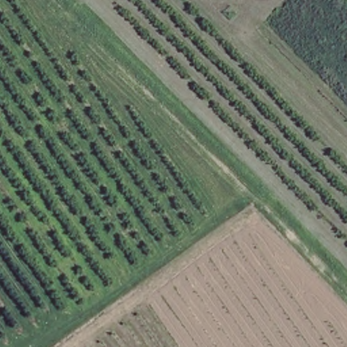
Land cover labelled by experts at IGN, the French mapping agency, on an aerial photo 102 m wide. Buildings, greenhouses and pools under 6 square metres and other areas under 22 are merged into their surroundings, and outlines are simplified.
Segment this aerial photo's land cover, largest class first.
<instances>
[{"label":"herbaceous vegetation","instance_id":"1","mask_svg":"<svg viewBox=\"0 0 347 347\"><path fill-rule=\"evenodd\" d=\"M164 3L171 5L175 15L180 16L187 24L188 30L197 34L211 52L216 53L221 61L233 69L234 75L241 80V84L236 87L216 68V65L202 56L190 39L183 37L182 31L175 27L169 16L161 12V9L150 0H141L145 8L179 39L180 43L190 49L194 54V61L206 66L210 75L216 77L222 87L229 89L234 100L228 102L218 94L216 87L205 79L202 73L192 68L184 54L179 53L163 35L157 33L156 28L129 0H15L19 11L53 54L54 58L49 61L34 41L33 35L28 33L27 28H24L16 18L5 0H0V72L8 80L11 88L16 89V94L22 96L24 106L34 115L33 121H28L0 83V155L4 157L12 178L18 179L24 187V190L16 192L0 172V244L41 302V308L34 306L26 291L15 281L0 258V275L28 312V317L20 316L14 302L9 300L0 287V347H179L146 298L172 275L178 274L191 260L214 244L220 243L225 236L236 232L241 226L259 222L263 217L274 225L281 233L283 241L297 251L304 262L332 287L340 300L347 305V224L340 220L332 207L321 202L320 195L289 167L287 161L282 160L272 150L270 137L264 140L259 125L266 127L271 137L278 138L283 150L293 155L295 163L305 168L316 183L323 187L325 195H331V198L339 203L344 217L347 218V197L332 187L308 160L301 156L297 148L283 137L274 123L264 118L251 100L245 98L241 92L244 91L243 84L248 85L259 102L267 104L272 113L281 119L282 125L287 127L290 133L295 134L297 140L316 156L317 160L323 161L328 171L338 176L339 182L347 187V106L300 57L295 56L291 47L286 45L268 24L267 18L271 15L272 9L279 7L285 0H163ZM115 5L129 9L130 16L148 31L161 49L167 50L169 56L175 58L186 69L194 81L187 83L186 80L180 79L178 73L169 68L165 58L144 39L138 37L134 28L117 14ZM202 19L209 20L218 34L244 58L243 64L239 65L236 61L230 60L216 39L205 33L206 26ZM248 64L270 83L278 98L285 100L291 110L304 119L310 129L316 131L319 140L312 141L306 137L304 130L294 125L281 108L272 102L266 91L249 79L248 75L251 72ZM37 65L49 77L54 87L61 91L64 102H54L47 89L39 83L37 73L33 70ZM95 89H98L100 95L106 99L110 110L125 127V138L119 133L117 125L107 118L102 104L92 94ZM216 103L224 108L233 122L239 123L244 133H247L251 140H255L260 149L267 152L275 164L281 167L286 178L293 180L295 186L300 187V190L308 195L310 201L316 205L314 210L306 209L304 203L295 198L293 191L287 190L270 165L260 161L255 153L244 145V141L211 111ZM126 104L131 107L146 133L152 136L165 159L178 173L183 186L197 199L201 205L198 210L176 186L168 169L160 163L149 142L134 126L129 114L126 113ZM66 110H72V113L76 115L77 122L80 123L83 129L88 131V137L85 138V140H83V138H80L79 134L76 133L75 127L70 125L68 119H66ZM38 125L42 126L45 136L53 142L57 153L64 156L62 160L68 161L69 171H75L81 186L87 188L94 205L102 210L98 216L88 209L81 192L73 187L60 165L50 156L45 142L38 138L35 133V126ZM4 140L11 141L18 148L20 159L30 167V172L37 176L39 186L57 207L58 213L64 216L69 229L79 232L81 244L88 248L91 255L89 258L84 260L77 252L75 244L68 239L56 218L43 205L33 186L24 178L14 157L5 149ZM26 141H33L43 164L56 172L66 197L76 207L75 216L70 213L64 202H61L56 188L46 178L42 169H39L33 156L27 152L24 146ZM91 142H95L98 149L102 150L103 159L106 160L108 167L117 173L123 188L130 190L134 199H140V205L144 209L141 213L148 218L150 226L163 236L161 241L153 239L134 216L133 209L119 194L114 180L108 178L98 160L92 156L89 149ZM121 155L138 179L144 182L152 197L146 199L118 163L117 159ZM83 156L89 168L94 169L99 182L103 184L100 190L94 183L89 182L77 165L76 161ZM87 221L89 225L94 226L95 236L106 245L107 252H111V258L104 259L103 253L88 239L83 226ZM26 228L33 229L37 234L38 243L45 248L50 260H56V267L46 266L45 260L28 239ZM18 244L23 245V252L26 255L35 259L37 270L42 271L47 279H52L53 290L43 293L37 279L16 255L14 247Z\"/></svg>","mask_w":347,"mask_h":347},{"label":"clear cut","instance_id":"2","mask_svg":"<svg viewBox=\"0 0 347 347\"><path fill-rule=\"evenodd\" d=\"M179 347H347V305L340 300L332 287L304 262L297 251L283 241L281 233L274 225L263 217L259 222L241 226L236 232L225 236L220 243L214 244L191 260L178 274L172 275L146 298Z\"/></svg>","mask_w":347,"mask_h":347},{"label":"deciduous trees","instance_id":"3","mask_svg":"<svg viewBox=\"0 0 347 347\"><path fill-rule=\"evenodd\" d=\"M16 18L24 28H27L28 33L33 35L34 41L49 61L54 58L53 54L19 11L15 0H5ZM156 28L157 33L163 35L179 53L184 54L192 68L202 73L205 79L216 87L218 94L228 102L234 100L229 89L222 87L216 77L210 75L206 66L194 61V54L190 49L180 43L179 39L145 8L141 0H129ZM161 9V12L169 16L175 27L182 31L183 37L190 39L202 56L216 65V68L236 87L241 84V80L234 75L233 69L221 61L216 53L211 52L197 34L188 30L187 24L180 16L175 15L171 5L164 3L163 0H150ZM117 14L134 28L138 37L144 39L165 58L169 68L178 73L180 79L186 80L187 83L194 81L186 69L175 58L169 56L167 50L161 49L148 31L130 16L129 9L115 5ZM206 26L205 33L216 39L230 60L236 61L239 65L243 64L244 58L218 34L209 20L202 19ZM251 72L248 75L249 79L266 91L272 102L281 108L294 125L304 130L306 137L312 141L319 140L316 131L310 129L304 119L291 110L285 100L278 98L270 83L248 64ZM33 70L37 73L39 83L47 89L54 102H64L61 91L54 87L49 77L37 65ZM0 83L28 121H33L34 115L24 106L22 96L16 94V89L11 88L8 80L0 72ZM244 91L241 92L245 98L251 100L264 118L274 123L283 137L297 148L301 156L308 160L332 187L347 197V187L339 182L338 176L328 171L323 161L317 160L316 156L297 140L295 134L290 133L287 127L282 125L281 119L272 113L267 104L259 102L248 85L243 84ZM92 94L102 104L107 118L117 125L119 133L125 138V127L110 110L106 99L100 95L98 89H95ZM211 111L244 141V145L255 153L260 161L270 165L287 190L293 191L295 198L304 203L306 209L314 210L316 205L310 201L308 195L300 190V187L295 186L293 180L286 178L281 167L275 164L267 152L260 149L255 140H251L247 133H244L239 123L233 122L224 108L216 103ZM126 113L129 114L134 126L149 142L160 163L168 169L176 186L198 210L201 205L197 199L183 186L178 173L165 159L152 136L146 133L131 107L126 104ZM66 119H68L70 125L75 127L76 133L79 134L80 138H83V140H85V138L88 137V131L83 129L80 123L77 122L76 115L72 113V110H66ZM35 133L38 138L45 142L50 156L60 165L73 187L81 192L88 209L98 216L102 210L94 205L87 188L81 186L75 171H69L68 161L62 160L64 156L57 153L53 142L45 136L42 126L38 125L35 126ZM264 140L270 137L272 150L282 160L287 161L289 167L320 195L321 202L332 207L340 220L347 224V218L344 217L339 203L331 198V195H325L323 187L316 183L305 168L295 163L293 155L283 150L278 138L271 137L266 127L259 125ZM5 149L14 157L24 178L33 186L43 205L56 218L68 239L75 244L77 252L84 260L89 258L91 255L88 248L81 244L79 232L69 229L64 216L58 213L57 207L39 186L37 176L30 172V167L20 159L18 148L11 141L4 140ZM24 146L27 152L33 156L39 169H42L46 178L56 188L61 202H64L70 213L75 216L76 207L66 197L56 172L43 164L33 141H26ZM89 149L92 156L98 160L108 178L114 180L119 194L133 209L134 216L153 239L161 241L163 236L150 226L148 218L141 213L144 209L140 205V199H134L130 190L123 188L117 173L108 167L106 160L103 159L102 150L98 149L95 142H91ZM0 172L16 192L24 190V187L18 179L12 178L4 157L0 155ZM118 163L146 199L152 197L144 182L138 179L121 155L117 159ZM77 165L89 182L94 183L100 190L103 184L99 182L94 169L89 168L83 156L76 161ZM83 226L88 239L103 253L104 259L111 258V252H107L106 245L95 236L94 226L89 225L87 221ZM28 239L45 260L46 266L56 267V260H50L45 248L38 243L37 234L33 229L26 228ZM0 258L15 281L26 291L34 306L41 308V302L0 244ZM23 245L18 244L14 247L16 255L37 279L43 293L53 290L52 279H47L42 271L37 270L35 259L26 255L23 252ZM0 287L9 300L14 302L20 316L28 317V312L0 275Z\"/></svg>","mask_w":347,"mask_h":347},{"label":"agricultural land","instance_id":"4","mask_svg":"<svg viewBox=\"0 0 347 347\"><path fill-rule=\"evenodd\" d=\"M268 24L286 45L291 47L295 56L300 57L347 106V0H285L279 7L272 9L271 15L267 18Z\"/></svg>","mask_w":347,"mask_h":347}]
</instances>
